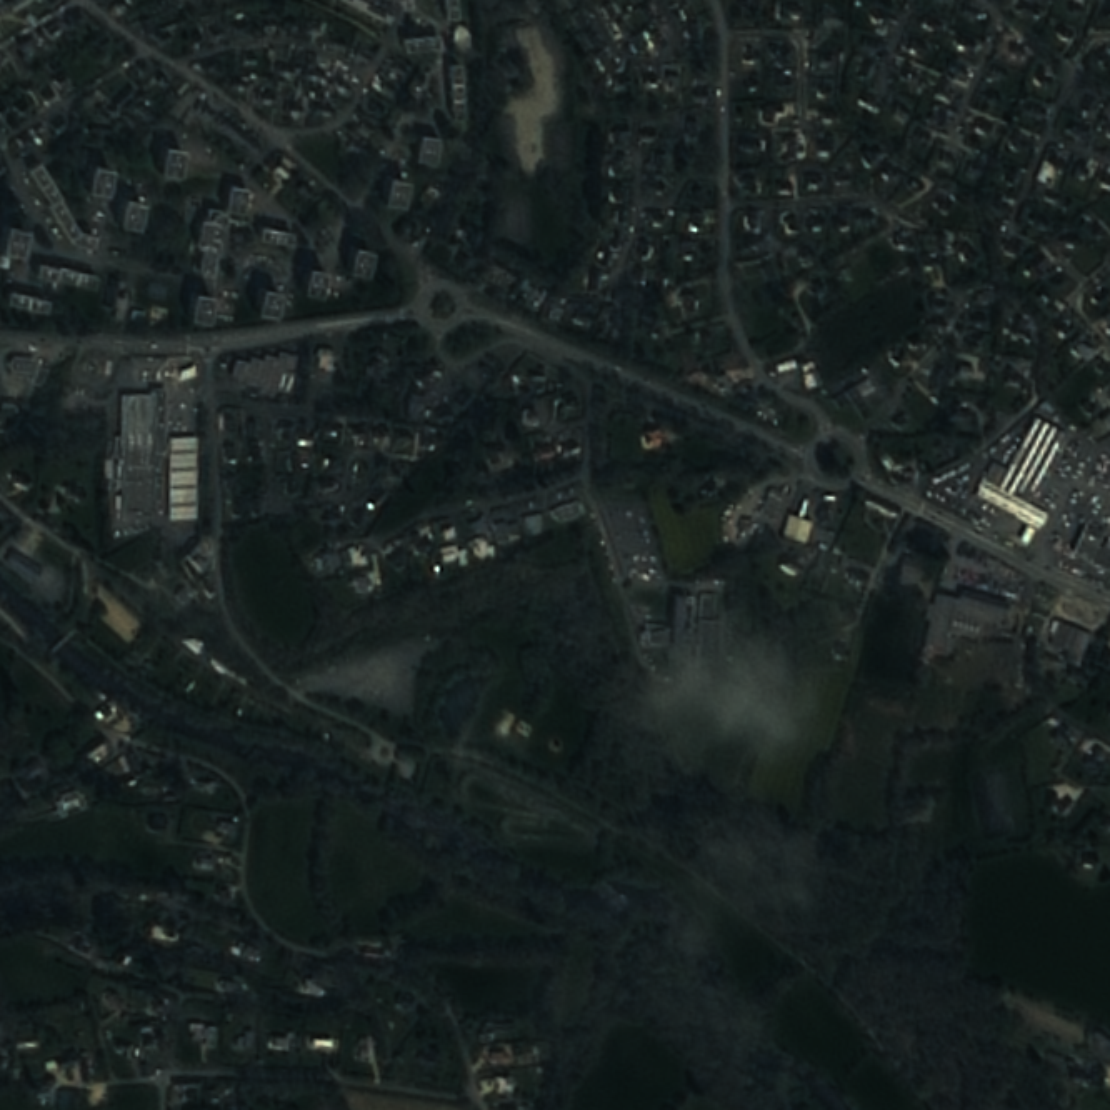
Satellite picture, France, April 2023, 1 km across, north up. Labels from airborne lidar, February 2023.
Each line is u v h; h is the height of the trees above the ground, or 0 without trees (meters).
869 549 0
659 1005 25
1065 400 0
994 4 12
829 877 6
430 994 13
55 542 0
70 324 19
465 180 20
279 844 0
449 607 13
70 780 9
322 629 9
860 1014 23
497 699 8
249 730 10
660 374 14
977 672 0
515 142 0
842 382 0
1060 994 0
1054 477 0
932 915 21
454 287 0
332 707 11
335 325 0
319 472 0
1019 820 0
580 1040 14
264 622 0
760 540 11
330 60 0
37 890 16
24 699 0
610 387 10
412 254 0
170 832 0
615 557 0
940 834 0
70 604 9
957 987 18
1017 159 0
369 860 0
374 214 18
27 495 0
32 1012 7
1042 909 0
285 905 0
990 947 0
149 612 9
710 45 11
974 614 0
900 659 0
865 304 0
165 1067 0
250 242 13
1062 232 6
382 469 11
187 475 0
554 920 17
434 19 0
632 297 18
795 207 0
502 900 20
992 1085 20
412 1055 0
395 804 8
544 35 0
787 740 0
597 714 7
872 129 8
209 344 0
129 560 0
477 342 9
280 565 0
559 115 0
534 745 0
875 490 0
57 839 0
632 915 7
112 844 0
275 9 7
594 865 0
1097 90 11
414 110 10
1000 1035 22
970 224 0
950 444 12
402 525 0
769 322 0
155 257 22
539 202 0
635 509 0
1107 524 0
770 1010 15
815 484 0
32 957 0
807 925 18
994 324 11
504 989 0
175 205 12
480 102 18
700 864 28
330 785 14
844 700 0
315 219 18
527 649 0
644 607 0
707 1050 27
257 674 11
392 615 12
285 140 0
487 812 0
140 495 0
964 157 0
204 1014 0
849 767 0
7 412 7
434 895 18
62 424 10
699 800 20
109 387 0
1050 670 0
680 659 0
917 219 0
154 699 9
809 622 18
